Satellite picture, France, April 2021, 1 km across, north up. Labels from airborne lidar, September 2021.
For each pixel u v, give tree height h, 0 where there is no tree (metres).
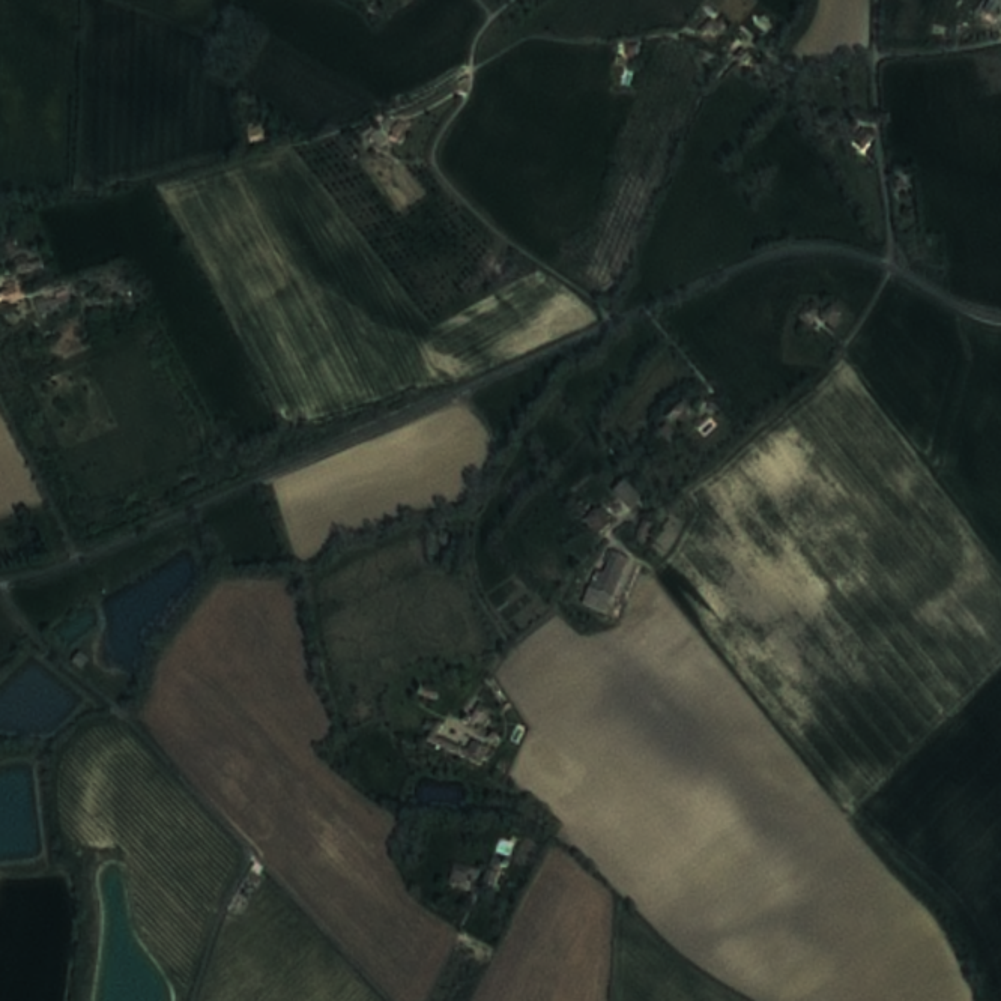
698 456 9
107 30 0
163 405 0
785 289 0
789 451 0
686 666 0
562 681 0
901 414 0
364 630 0
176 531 0
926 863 0
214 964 0
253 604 0
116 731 0
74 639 0
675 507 10
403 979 0
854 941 0
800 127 16
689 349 16
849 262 0
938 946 0
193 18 0
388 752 0
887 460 0
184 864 0
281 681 0
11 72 0
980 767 0
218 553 20
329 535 0
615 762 0
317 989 0
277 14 0
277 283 0
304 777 0
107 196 14
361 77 0
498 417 0
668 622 0
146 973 0
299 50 0
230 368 0
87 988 0
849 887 0
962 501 0
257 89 0
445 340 0
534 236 0
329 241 0
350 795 0
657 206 14
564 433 0
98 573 0
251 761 0
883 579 0
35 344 12
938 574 0
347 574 0
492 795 12
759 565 0
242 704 0
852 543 0
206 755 0
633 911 12
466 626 0
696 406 10
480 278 12
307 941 0
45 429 8
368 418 11
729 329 0
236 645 0
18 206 16
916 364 0
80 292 10
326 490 0
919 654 0
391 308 0
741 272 0
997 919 0
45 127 0
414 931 0
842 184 19
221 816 0
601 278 15
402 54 0
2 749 15
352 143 6
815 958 0
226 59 16
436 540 27
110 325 11
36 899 0
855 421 0
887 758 0
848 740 0
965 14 0
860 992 0
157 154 0
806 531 0
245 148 12
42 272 10
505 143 0
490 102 0
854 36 0
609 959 0
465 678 13
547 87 0
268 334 0
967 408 0
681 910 0
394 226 7
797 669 0
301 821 0
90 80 0
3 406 8
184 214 0
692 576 0
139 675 12
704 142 0
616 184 6
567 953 0
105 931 0
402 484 0
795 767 0
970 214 0
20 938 0
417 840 21
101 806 0
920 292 0
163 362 6
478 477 14
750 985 0
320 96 0
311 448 15
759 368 0
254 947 0
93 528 7
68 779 0
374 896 0
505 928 7
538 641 0
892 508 0
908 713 0
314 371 0
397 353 0
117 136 0
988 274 0
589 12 0
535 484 18
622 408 17
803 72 21
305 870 0
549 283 0
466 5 0
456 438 0
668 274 0
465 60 0
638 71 14
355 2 9
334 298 0
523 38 0
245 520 0
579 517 9
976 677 0
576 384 0
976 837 0
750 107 0
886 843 0
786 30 14
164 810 0
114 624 0
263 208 0
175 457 0
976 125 0
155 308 9
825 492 0
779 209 0
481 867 10
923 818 0
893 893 0
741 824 0
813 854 0
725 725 0
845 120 11
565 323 0
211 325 0
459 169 0
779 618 0
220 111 0
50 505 10
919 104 0
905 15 0
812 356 0
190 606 23
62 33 0
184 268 0
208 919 0
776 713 0
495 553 19
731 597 0
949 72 0
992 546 0
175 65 0
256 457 20
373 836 0
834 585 0
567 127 0
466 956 8
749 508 0
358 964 0
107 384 0
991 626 0
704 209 0
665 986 0
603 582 0
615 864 0
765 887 0
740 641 0
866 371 0
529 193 0
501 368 0
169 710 0
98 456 0
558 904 0
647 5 0
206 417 7
